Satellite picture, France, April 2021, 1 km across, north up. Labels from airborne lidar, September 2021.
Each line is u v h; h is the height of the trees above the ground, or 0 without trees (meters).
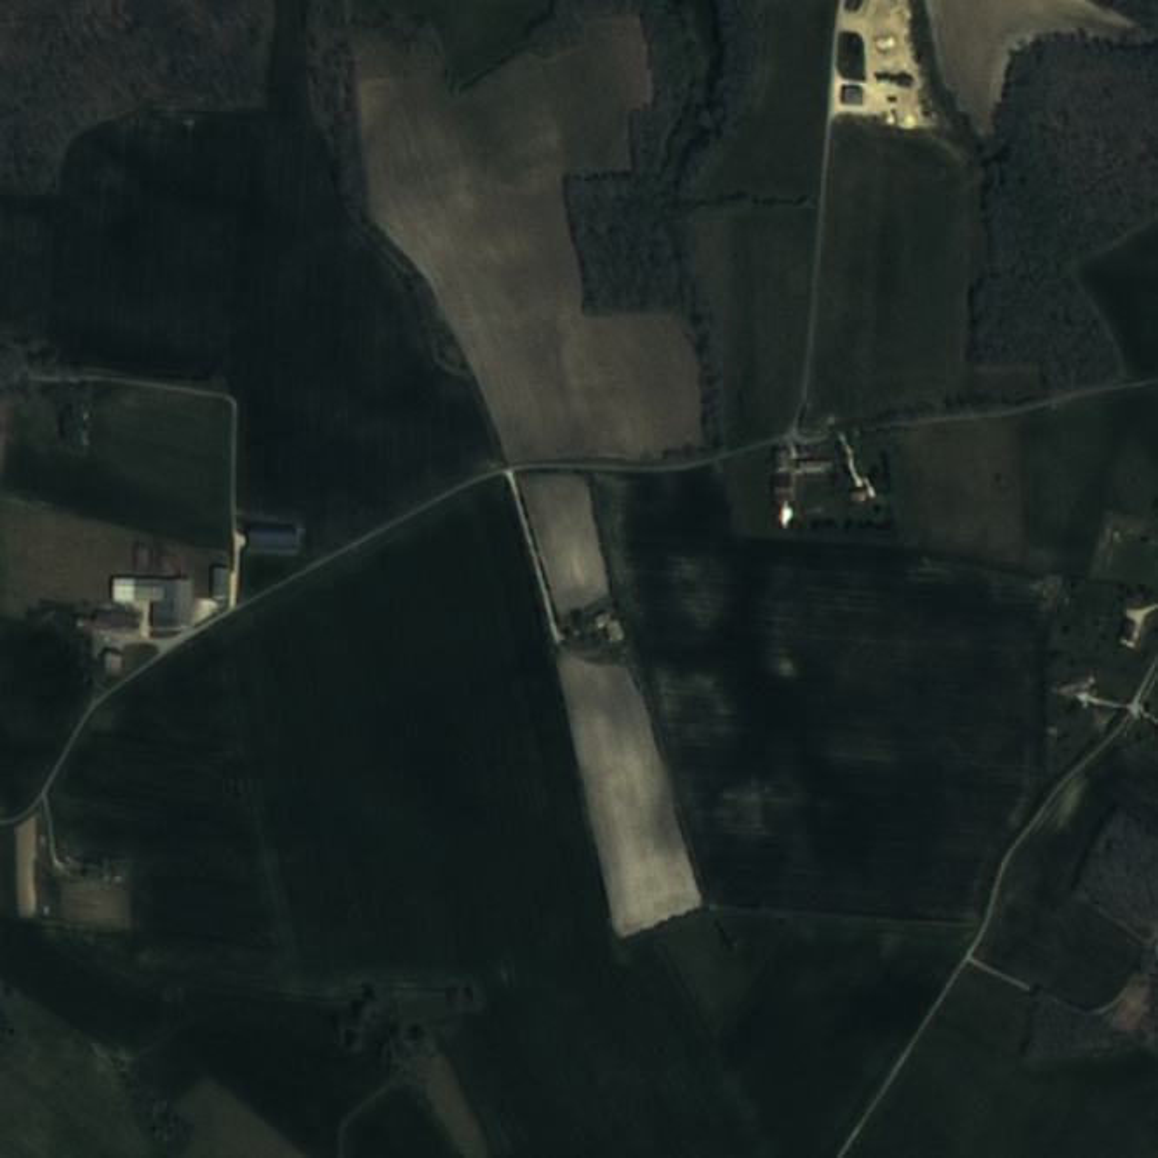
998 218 19
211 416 0
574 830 0
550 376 0
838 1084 0
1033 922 0
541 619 13
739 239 0
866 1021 0
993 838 0
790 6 0
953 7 0
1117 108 11
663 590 0
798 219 0
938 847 0
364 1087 0
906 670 0
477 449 0
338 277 0
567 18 17
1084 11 0
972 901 0
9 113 19
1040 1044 13
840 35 0
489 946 0
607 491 0
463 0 0
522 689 0
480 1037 0
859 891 0
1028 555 0
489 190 0
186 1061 0
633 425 0
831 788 0
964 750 0
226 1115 0
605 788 0
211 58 16
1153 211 11
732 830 0
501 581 0
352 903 0
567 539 0
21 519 0
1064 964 0
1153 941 8
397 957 0
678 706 0
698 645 0
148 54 17
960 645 0
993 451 0
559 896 0
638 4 19
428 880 0
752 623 0
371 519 0
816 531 9
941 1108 0
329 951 0
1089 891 13
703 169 14
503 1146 0
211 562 0
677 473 0
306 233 0
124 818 0
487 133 0
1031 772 0
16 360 15
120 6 11
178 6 14
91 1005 0
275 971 0
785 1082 0
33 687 0
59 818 0
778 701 0
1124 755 0
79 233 0
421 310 10
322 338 0
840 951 0
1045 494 0
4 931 0
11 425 0
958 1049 0
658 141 19
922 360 0
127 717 0
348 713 0
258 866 0
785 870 0
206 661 0
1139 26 19
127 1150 0
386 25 16
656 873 0
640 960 0
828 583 0
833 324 0
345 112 10
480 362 0
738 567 0
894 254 0
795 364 0
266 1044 0
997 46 0
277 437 0
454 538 0
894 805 0
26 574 0
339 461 0
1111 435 0
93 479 0
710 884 0
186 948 0
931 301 0
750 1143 0
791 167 0
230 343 0
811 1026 0
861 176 0
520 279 0
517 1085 0
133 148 0
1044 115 14
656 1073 0
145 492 0
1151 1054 0
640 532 0
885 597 0
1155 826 0
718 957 0
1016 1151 0
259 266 0
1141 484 0
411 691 0
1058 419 0
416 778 0
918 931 0
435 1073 0
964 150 0
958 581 0
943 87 14
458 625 0
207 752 0
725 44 19
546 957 0
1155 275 0
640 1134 0
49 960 0
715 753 0
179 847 0
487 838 0
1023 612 0
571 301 0
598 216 17
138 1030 0
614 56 0
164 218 0
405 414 0
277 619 0
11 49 15
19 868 0
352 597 0
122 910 0
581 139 0
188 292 0
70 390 14
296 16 0
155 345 0
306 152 0
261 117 0
